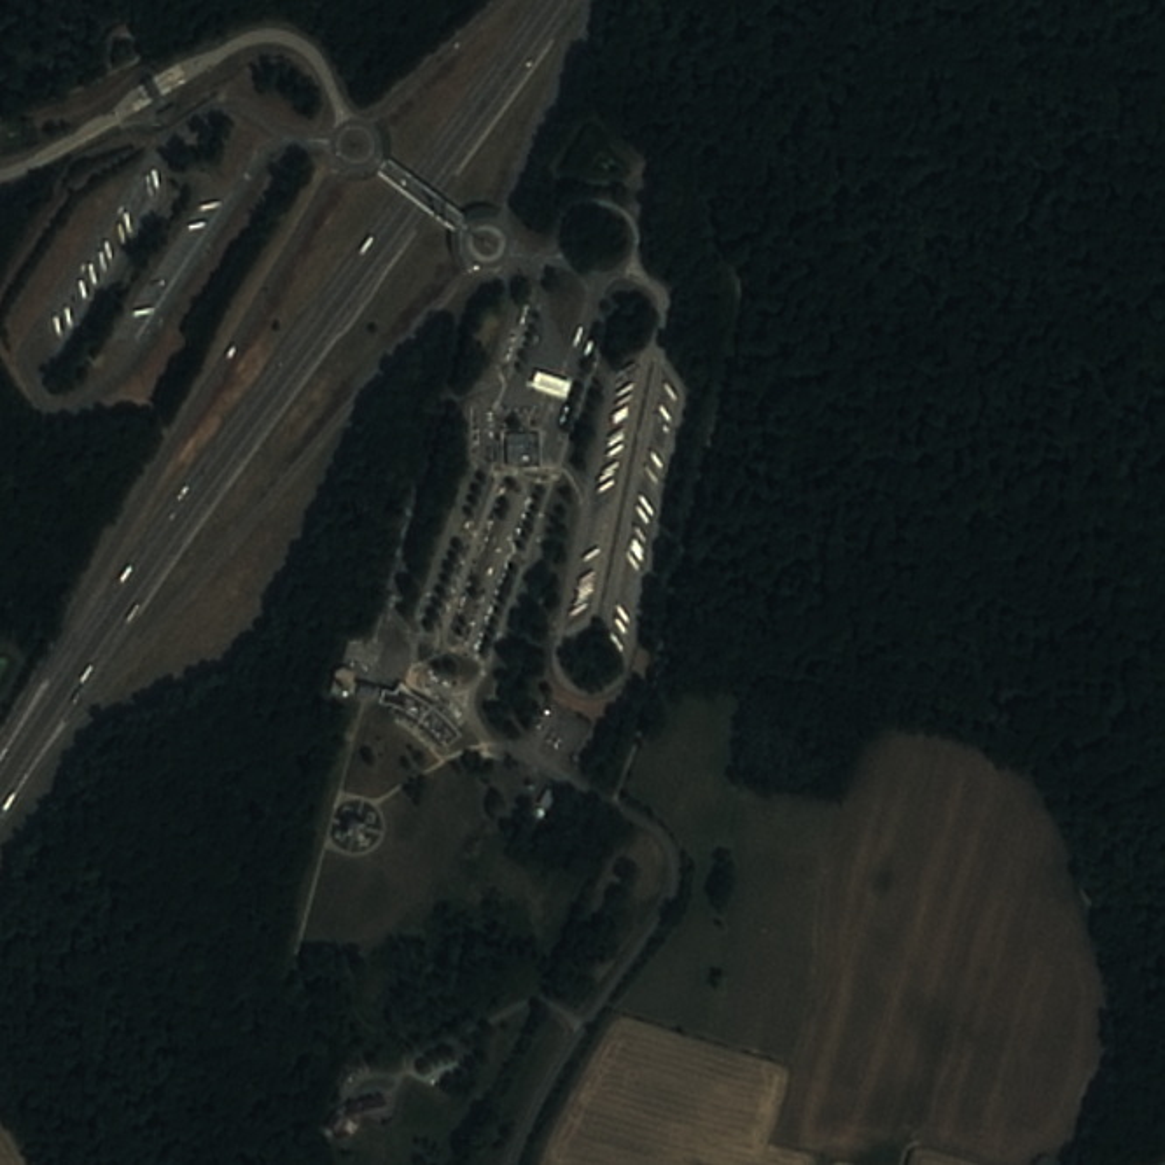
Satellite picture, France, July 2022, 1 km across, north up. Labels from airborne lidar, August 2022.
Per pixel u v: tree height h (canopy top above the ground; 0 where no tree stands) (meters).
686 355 18
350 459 21
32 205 21
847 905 0
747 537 22
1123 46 23
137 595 0
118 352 0
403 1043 12
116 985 22
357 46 24
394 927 0
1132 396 22
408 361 22
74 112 0
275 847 26
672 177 24
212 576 0
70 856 25
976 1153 0
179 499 0
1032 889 0
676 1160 0
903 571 29
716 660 23
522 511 0
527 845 17
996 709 22
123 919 21
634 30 22
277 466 0
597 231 20
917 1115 0
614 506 0
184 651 0
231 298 8
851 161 26
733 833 0
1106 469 27
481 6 18
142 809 28
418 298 0
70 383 15
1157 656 27
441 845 0
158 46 24
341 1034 19
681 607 23
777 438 23
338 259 0
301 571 21
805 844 0
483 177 0
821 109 26
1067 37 24
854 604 25
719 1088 0
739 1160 0
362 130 0
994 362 27
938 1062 0
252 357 0
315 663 18
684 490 15
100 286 0
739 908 0
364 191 0
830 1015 0
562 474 0
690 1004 0
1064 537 27
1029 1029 0
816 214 21
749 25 26
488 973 28
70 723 0
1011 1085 0
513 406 0
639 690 22
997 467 25
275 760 25
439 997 28
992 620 25
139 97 0
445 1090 12
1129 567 30
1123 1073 23
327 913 0
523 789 0
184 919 27
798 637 27
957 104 23
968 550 30
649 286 0
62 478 29
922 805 0
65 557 21
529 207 21
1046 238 23
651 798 0
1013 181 21
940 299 22
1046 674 24
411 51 22
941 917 0
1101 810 26
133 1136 24
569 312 0
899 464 28
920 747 0
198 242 0
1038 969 0
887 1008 0
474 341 20
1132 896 19
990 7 24
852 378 27
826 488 23
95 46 21
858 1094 0
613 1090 0
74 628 0
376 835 0
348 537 23
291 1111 21
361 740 0
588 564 0
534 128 0
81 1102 24
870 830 0
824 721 24
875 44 23
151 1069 23
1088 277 21
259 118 0
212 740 26
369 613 14
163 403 17
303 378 0
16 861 22
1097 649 26
